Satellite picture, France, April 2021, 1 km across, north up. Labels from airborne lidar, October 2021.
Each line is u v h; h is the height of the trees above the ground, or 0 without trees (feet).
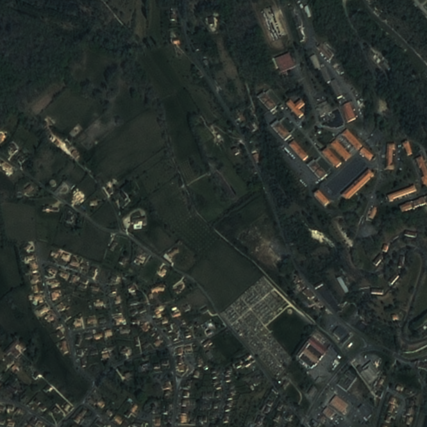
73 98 0
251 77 73
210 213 0
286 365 48
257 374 0
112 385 88
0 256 0
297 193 27
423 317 43
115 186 24
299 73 0
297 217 34
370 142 0
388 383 0
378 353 0
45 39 59
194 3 52
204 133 0
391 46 51
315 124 0
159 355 52
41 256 0
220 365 0
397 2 38
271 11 0
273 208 0
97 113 0
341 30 63
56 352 0
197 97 0
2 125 66
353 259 60
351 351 0
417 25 55
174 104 0
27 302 0
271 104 0
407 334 35
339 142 0
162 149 20
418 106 66
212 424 24
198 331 45
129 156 0
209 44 20
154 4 0
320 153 0
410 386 19
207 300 0
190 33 26
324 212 0
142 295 45
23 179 20
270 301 0
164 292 0
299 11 0
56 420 24
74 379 0
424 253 65
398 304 36
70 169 0
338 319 0
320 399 0
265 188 0
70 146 0
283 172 43
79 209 0
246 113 37
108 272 0
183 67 0
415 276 0
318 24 63
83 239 0
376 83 65
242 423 27
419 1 0
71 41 39
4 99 68
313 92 0
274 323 0
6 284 0
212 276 0
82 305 0
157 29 0
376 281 73
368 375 0
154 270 0
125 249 25
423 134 68
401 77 58
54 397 37
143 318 0
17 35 52
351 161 0
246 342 0
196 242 0
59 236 0
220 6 64
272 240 0
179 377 0
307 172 0
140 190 0
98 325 0
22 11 28
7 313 0
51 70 69
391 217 83
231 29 70
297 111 0
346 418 0
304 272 38
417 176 0
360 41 60
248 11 57
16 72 69
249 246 0
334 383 0
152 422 0
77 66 56
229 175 0
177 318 0
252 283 0
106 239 0
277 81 68
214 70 60
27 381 0
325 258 34
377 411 0
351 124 0
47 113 0
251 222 0
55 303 22
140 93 54
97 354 18
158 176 0
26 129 32
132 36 64
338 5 68
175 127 0
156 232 0
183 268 0
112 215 0
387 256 62
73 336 0
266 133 37
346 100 0
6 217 0
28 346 31
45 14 43
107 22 38
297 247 29
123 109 0
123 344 0
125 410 20
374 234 0
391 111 60
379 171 0
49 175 0
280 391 73
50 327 0
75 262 0
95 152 0
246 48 70
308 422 0
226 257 0
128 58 86
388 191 0
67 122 0
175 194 0
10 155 0
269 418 40
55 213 0
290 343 0
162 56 0
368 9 0
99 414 0
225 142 0
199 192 0
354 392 0
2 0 51
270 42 0
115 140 0
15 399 43
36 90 78
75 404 61
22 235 0
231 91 27
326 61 0
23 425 21
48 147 45
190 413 30
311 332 31
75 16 47
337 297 39
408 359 0
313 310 41
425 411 51
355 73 82
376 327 36
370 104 38
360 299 34
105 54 62
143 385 72
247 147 32
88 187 0
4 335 38
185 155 0
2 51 53
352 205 60
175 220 0
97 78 0
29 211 0
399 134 46
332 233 0
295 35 0
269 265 0
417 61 0
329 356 0
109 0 27
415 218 80
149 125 0
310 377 27
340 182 0
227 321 0
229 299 0
